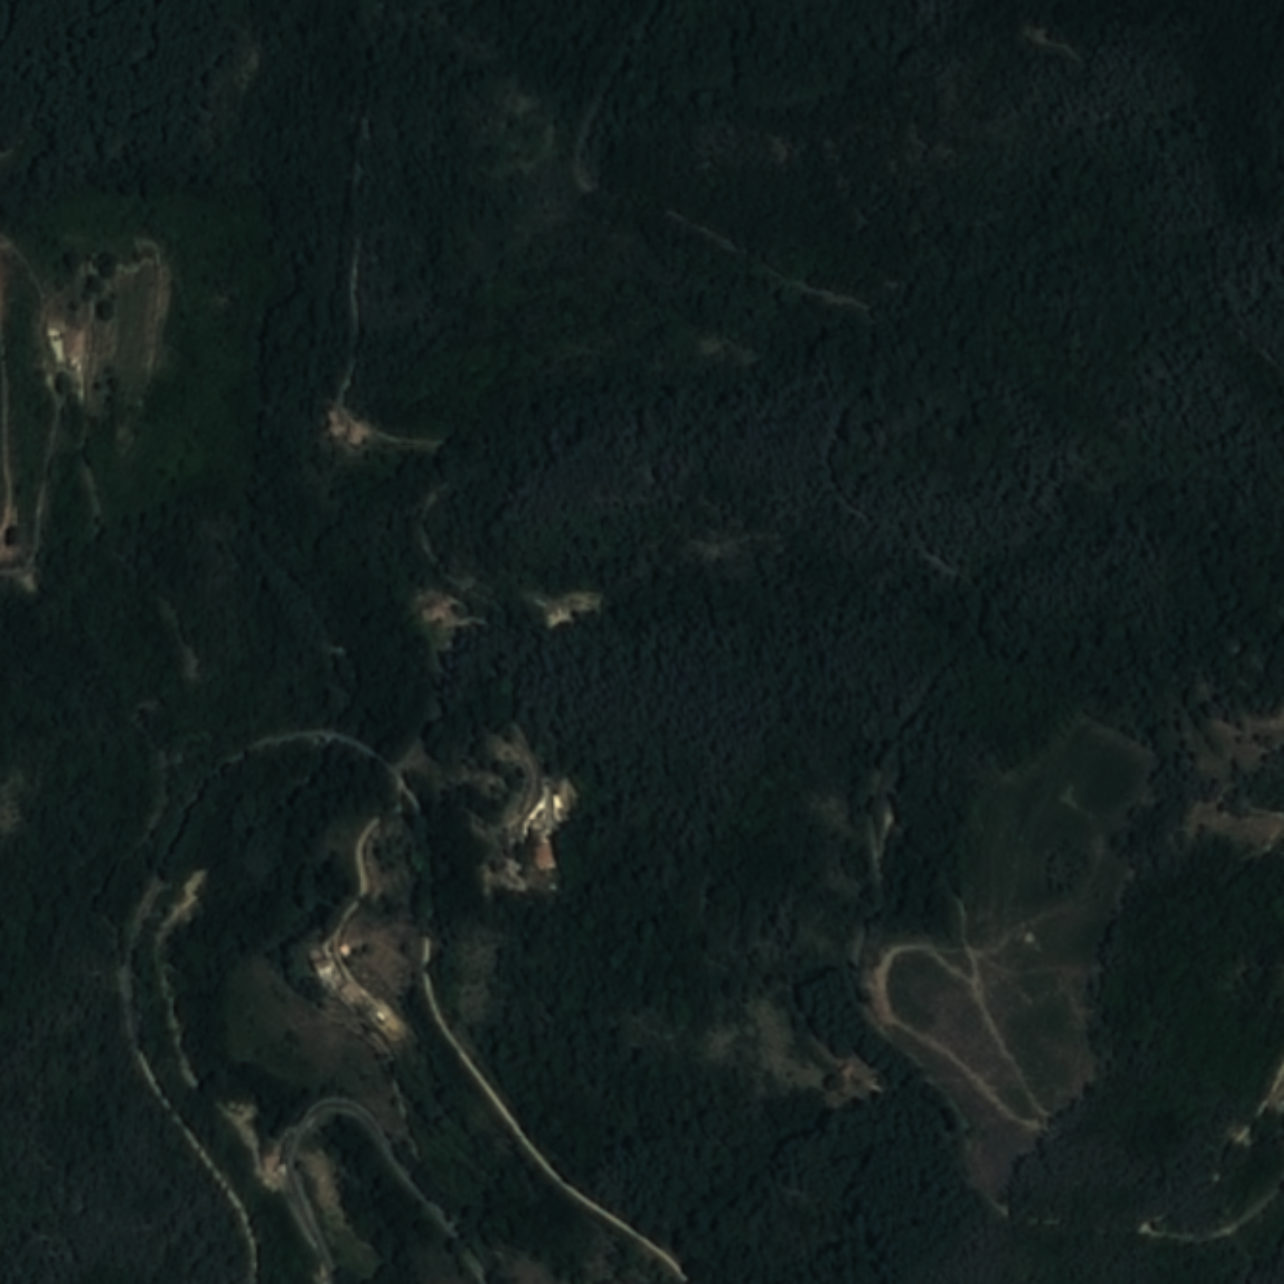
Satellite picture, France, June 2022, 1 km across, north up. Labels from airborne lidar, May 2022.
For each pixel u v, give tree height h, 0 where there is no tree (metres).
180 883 14
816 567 17
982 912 0
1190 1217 19
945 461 7
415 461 14
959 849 21
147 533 21
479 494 7
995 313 17
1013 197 11
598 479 18
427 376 11
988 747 25
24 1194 12
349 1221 9
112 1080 16
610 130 8
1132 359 11
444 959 11
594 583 10
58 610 14
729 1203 7
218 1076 21
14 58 26
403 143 11
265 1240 17
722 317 10
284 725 9
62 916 15
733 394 13
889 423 9
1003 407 15
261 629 16
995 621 17
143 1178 20
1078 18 18
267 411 12
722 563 11
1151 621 12
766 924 7
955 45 13
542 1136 21
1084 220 15
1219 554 18
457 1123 15
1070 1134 13
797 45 7
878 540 24
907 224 16
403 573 7
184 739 12
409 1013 10
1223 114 15
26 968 9
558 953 10
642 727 22
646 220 18
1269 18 12
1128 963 17
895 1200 34
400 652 13
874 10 6
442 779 0
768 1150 13
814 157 13
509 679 22
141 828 13
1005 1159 0
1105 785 0
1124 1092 18
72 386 15
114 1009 15
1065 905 0
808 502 20
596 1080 9
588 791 7
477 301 12
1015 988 0
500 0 10
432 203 10
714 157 9
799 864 12
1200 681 15
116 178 30
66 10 28
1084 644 19
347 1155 15
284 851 24
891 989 0
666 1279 10
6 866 14
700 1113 14
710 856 15
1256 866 17
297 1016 0
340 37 11
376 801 15
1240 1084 20
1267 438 12
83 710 22
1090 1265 12
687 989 6
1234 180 12
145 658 10
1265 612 10
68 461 9
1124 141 12
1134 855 11
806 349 7
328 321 11
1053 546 17
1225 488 7
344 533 17
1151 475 10
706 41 12
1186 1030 17
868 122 13
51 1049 11
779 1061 0
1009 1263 13
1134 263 16
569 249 10
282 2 25
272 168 31
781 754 20
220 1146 28
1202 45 10
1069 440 23
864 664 25
